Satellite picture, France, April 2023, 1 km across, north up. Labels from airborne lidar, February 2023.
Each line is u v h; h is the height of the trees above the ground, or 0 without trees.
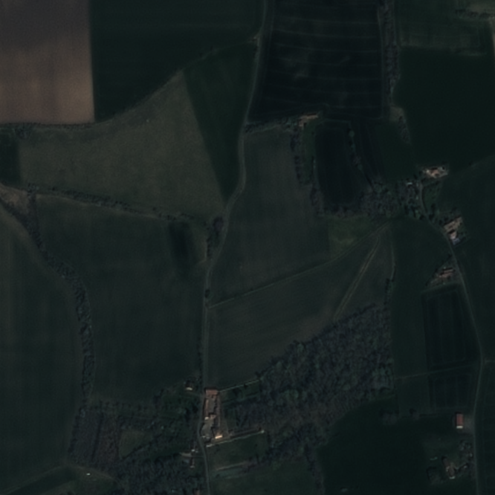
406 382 0
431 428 0
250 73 0
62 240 0
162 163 0
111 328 0
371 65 0
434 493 0
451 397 0
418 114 0
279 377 12
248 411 26
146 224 0
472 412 0
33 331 0
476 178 0
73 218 0
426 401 0
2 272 0
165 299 0
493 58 0
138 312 0
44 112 0
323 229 0
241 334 0
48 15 0
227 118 0
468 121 0
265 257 0
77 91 0
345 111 0
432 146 0
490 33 0
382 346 24
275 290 0
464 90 0
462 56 0
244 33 0
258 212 0
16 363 0
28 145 0
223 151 0
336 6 0
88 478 0
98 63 0
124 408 11
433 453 0
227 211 0
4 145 0
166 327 0
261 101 0
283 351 0
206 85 0
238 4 0
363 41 0
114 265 0
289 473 0
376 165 0
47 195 0
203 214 0
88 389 11
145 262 0
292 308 0
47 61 0
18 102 0
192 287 0
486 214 0
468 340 0
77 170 0
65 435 0
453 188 0
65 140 0
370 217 20
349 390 25
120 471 18
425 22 0
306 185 7
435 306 0
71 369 0
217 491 0
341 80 0
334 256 0
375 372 23
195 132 0
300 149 17
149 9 0
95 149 0
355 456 0
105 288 0
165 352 0
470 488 0
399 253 0
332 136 0
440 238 0
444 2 0
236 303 0
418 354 0
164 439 12
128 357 0
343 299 0
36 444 0
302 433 22
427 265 0
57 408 0
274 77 0
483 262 0
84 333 14
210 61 0
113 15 0
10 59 0
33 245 0
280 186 0
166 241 0
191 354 0
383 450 0
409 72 0
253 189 0
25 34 0
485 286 0
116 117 10
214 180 0
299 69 0
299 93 0
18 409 0
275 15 0
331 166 0
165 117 0
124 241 0
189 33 0
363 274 0
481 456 0
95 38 0
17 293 0
